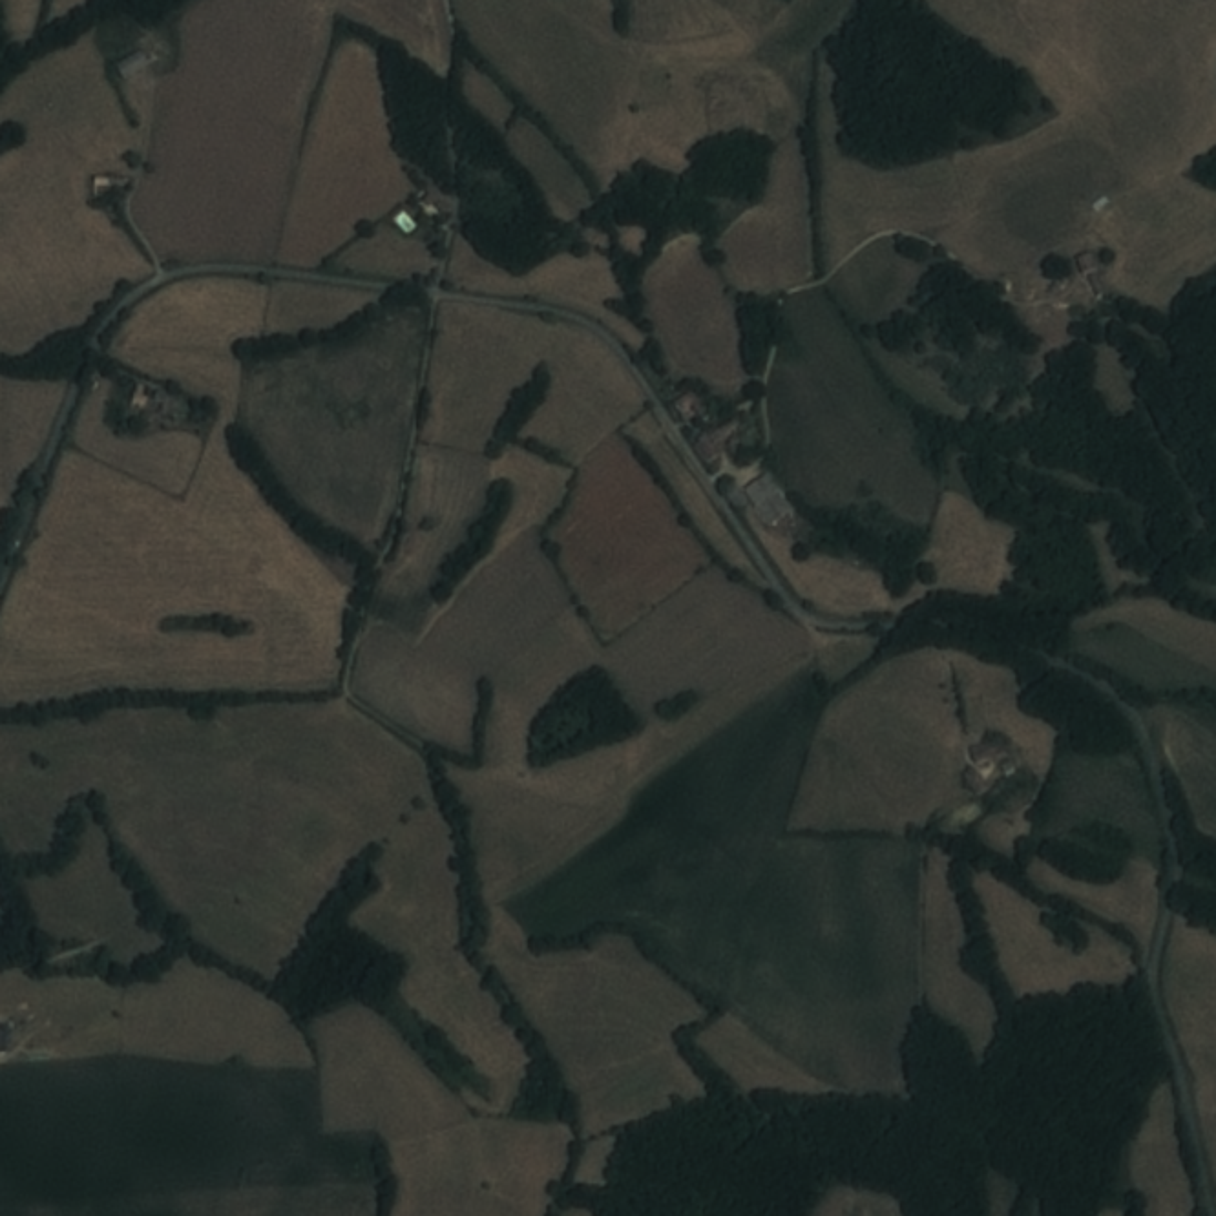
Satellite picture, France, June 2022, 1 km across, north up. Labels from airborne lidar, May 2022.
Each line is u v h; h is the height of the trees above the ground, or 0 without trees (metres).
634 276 14
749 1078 0
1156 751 0
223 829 0
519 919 0
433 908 0
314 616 0
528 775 0
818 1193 13
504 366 0
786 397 0
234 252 0
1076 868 19
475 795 0
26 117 0
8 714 12
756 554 0
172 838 0
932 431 9
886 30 16
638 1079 0
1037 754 0
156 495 0
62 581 0
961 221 0
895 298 0
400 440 0
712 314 0
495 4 0
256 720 0
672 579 0
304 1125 0
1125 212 0
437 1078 8
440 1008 0
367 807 0
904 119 18
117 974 18
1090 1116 15
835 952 0
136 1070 0
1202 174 11
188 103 0
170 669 0
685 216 11
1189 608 14
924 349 9
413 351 0
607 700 20
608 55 0
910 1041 13
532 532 0
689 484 0
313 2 0
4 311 0
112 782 0
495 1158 0
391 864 0
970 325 11
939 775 0
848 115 15
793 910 0
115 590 0
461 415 0
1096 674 12
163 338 0
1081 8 0
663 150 0
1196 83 0
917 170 0
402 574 0
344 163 0
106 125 0
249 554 0
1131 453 18
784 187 0
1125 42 0
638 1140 13
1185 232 0
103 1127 0
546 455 10
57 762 0
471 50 6
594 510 0
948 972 0
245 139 0
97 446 0
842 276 0
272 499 15
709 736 0
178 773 0
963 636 16
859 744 0
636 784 0
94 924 0
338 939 13
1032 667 18
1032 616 19
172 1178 0
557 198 0
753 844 0
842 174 0
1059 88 0
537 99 0
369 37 10
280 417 0
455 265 0
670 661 0
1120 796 0
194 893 0
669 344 0
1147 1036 13
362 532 0
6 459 0
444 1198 0
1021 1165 16
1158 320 15
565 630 0
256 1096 0
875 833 7
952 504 0
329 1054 0
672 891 0
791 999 0
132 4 20
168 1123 0
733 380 0
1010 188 0
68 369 15
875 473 0
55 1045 0
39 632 0
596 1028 0
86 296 0
